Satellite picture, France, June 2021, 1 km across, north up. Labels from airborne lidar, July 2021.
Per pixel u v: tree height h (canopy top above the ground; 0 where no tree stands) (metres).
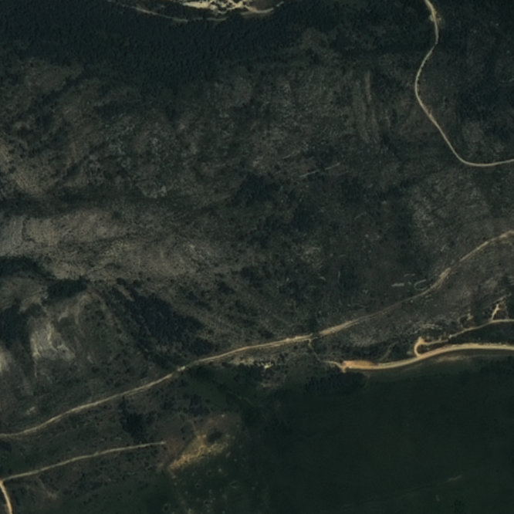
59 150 0
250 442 0
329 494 0
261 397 0
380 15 8
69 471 0
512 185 0
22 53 7
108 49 8
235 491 0
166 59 9
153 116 0
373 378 0
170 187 0
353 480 0
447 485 0
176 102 0
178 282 0
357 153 0
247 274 6
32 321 0
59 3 15
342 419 0
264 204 0
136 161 0
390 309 0
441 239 0
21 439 0
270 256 0
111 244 0
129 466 0
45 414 0
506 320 0
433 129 0
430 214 0
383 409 0
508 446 0
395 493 0
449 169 0
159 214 0
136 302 7
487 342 0
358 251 0
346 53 7
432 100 0
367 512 0
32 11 16
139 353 0
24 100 0
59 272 0
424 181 0
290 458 0
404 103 0
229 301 0
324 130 0
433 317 0
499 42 6
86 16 14
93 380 0
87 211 0
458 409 0
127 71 8
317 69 0
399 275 0
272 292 0
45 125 7
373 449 0
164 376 0
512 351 0
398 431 0
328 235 0
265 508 0
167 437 0
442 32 7
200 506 0
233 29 11
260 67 0
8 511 0
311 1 7
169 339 7
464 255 0
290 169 0
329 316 0
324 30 7
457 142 0
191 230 0
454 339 6
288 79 0
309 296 0
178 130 0
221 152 0
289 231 7
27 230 0
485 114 7
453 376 0
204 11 6
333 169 0
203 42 12
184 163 0
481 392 0
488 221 0
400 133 0
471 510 0
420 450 0
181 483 0
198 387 0
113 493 0
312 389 9
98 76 6
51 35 9
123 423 9
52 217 0
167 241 0
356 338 0
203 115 0
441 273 0
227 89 0
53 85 0
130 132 0
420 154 0
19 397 0
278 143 0
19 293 0
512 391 0
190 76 6
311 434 0
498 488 0
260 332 6
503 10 9
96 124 0
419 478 0
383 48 8
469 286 0
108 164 0
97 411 6
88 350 0
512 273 0
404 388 0
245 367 7
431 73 0
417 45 6
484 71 6
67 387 0
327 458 0
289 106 0
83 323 0
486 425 0
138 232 0
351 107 0
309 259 0
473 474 0
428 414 0
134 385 0
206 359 0
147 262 0
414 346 0
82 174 0
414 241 0
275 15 7
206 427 0
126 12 11
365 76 0
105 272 0
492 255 0
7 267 9
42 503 0
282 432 0
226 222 0
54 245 0
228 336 0
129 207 0
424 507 0
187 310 0
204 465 0
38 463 0
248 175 7
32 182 0
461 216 0
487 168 0
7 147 0
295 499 0
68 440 0
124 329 0
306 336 0
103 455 0
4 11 15
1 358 0
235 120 0
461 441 0
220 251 0
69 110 0
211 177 0
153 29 15
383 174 0
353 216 0
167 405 7
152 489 0
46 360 0
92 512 0
